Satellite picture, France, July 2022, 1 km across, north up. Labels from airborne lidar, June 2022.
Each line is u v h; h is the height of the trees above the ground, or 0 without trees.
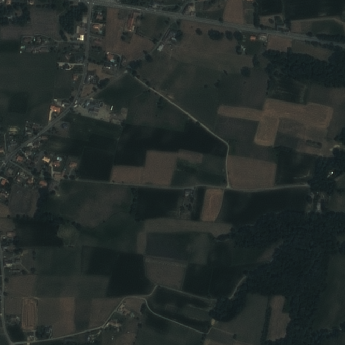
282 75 8
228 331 0
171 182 0
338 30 0
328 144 0
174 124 0
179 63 0
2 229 0
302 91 0
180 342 0
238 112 0
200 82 0
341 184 0
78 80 0
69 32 12
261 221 24
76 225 15
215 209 0
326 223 32
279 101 0
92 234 0
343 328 22
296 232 14
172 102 0
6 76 0
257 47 0
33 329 0
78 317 0
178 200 0
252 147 0
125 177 0
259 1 0
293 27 0
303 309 25
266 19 0
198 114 0
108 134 0
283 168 0
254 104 0
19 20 22
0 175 9
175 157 0
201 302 0
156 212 0
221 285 0
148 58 23
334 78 29
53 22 0
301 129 0
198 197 0
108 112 0
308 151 0
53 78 0
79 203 0
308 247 30
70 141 0
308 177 0
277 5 0
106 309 0
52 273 0
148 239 0
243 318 0
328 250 24
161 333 0
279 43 0
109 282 0
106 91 0
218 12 0
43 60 0
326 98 0
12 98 0
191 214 0
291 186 0
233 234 20
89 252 0
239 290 8
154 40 7
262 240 23
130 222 0
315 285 25
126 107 0
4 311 0
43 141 6
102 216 0
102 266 0
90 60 15
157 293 0
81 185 0
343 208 0
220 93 0
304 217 15
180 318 0
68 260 0
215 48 0
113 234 0
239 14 0
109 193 0
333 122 0
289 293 19
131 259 0
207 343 0
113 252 0
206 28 0
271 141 0
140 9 0
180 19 0
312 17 0
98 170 0
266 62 0
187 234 0
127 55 0
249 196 0
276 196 0
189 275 0
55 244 0
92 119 0
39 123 0
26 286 0
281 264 21
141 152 0
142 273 0
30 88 0
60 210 0
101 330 8
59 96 0
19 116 0
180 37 10
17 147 0
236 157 0
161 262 0
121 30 0
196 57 0
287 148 8
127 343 0
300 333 24
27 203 0
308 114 0
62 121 0
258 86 0
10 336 0
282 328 0
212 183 0
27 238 0
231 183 0
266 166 0
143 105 0
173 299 0
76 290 0
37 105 0
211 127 0
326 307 0
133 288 0
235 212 0
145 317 0
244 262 0
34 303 0
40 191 19
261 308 0
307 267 23
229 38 19
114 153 0
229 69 0
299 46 0
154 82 0
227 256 0
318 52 0
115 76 0
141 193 0
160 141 0
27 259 0
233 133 0
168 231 0
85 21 0
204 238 0
